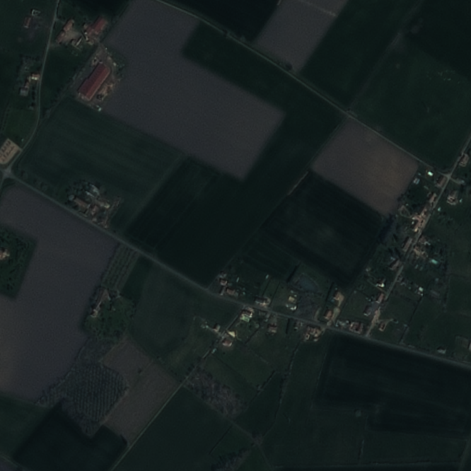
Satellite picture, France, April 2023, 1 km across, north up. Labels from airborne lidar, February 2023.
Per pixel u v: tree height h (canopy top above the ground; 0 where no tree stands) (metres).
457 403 0
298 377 0
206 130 0
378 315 0
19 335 0
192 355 0
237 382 0
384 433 0
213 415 0
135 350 0
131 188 0
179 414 0
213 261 0
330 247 0
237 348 0
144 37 0
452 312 0
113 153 0
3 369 0
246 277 0
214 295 0
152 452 0
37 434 0
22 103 0
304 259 0
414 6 0
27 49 0
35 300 0
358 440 0
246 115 0
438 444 0
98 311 11
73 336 0
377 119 0
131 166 0
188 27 0
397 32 0
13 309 0
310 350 0
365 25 0
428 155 0
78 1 0
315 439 0
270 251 0
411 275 0
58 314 0
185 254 0
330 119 0
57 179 0
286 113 0
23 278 0
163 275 0
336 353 0
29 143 0
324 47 0
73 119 0
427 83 0
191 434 0
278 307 0
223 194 0
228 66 0
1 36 0
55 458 0
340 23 0
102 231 0
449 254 9
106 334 11
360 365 0
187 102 0
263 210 0
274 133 0
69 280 0
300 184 0
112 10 0
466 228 0
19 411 0
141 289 0
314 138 0
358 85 0
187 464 0
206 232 0
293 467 0
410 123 0
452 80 0
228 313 0
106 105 0
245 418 0
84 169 0
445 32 0
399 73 0
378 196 0
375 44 0
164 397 0
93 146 0
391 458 0
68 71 0
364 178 0
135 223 0
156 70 0
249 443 0
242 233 0
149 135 0
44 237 0
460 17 0
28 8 0
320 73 0
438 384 0
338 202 0
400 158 0
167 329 0
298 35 0
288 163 0
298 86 0
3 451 0
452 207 0
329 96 0
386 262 6
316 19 0
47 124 0
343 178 0
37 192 0
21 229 0
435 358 0
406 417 0
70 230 0
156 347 0
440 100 0
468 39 0
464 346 0
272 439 0
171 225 0
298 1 0
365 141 0
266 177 0
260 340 0
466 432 0
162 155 0
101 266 0
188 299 0
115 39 0
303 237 0
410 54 0
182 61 0
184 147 0
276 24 0
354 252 0
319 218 0
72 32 0
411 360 0
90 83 0
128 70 0
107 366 0
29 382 0
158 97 0
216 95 0
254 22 0
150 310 0
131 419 0
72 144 0
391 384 0
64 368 0
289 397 0
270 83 0
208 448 0
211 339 0
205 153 0
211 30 0
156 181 0
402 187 0
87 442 0
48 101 0
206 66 0
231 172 0
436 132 0
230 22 0
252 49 0
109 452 0
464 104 0
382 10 0
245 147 0
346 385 0
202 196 0
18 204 0
